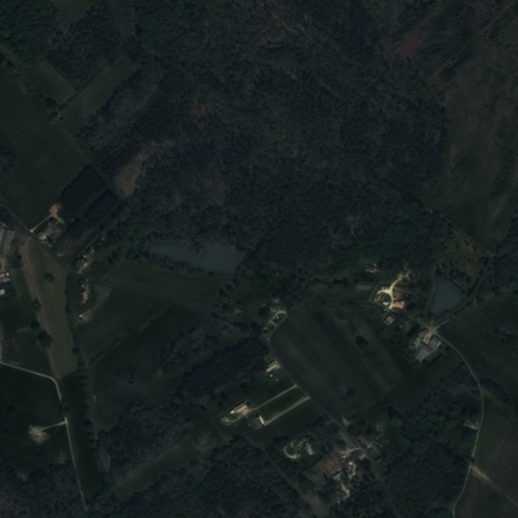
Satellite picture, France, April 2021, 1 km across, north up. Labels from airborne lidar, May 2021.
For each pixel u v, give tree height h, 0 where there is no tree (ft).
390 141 75
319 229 73
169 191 68
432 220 62
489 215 0
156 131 56
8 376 0
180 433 59
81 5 0
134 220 48
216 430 0
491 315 0
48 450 0
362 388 0
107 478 58
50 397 0
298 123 64
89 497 0
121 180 73
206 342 36
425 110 64
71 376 0
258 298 0
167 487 61
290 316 45
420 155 69
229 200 47
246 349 51
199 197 63
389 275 46
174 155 49
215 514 42
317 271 54
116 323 0
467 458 39
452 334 0
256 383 31
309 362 0
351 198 67
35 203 0
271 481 61
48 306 0
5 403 0
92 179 28
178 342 48
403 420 64
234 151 62
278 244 80
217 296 0
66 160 0
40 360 0
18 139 0
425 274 48
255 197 71
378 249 69
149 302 0
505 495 0
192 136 48
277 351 0
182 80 77
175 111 58
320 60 74
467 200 0
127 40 50
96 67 59
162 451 64
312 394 0
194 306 0
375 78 41
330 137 59
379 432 0
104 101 0
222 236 48
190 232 59
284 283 0
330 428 35
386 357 0
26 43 57
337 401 0
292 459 0
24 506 44
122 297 0
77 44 0
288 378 0
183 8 55
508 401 52
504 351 0
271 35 29
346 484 50
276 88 86
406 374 0
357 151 60
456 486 27
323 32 58
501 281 22
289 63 68
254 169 43
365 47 64
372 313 22
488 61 0
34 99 0
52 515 69
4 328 0
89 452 0
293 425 0
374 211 59
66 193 30
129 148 51
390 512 49
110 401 0
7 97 0
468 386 39
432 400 42
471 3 24
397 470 45
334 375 0
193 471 42
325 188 61
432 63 27
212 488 48
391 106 37
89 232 46
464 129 0
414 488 44
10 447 0
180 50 51
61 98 0
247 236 80
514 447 0
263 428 0
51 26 71
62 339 0
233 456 28
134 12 41
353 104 54
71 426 0
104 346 0
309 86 74
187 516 37
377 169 46
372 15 28
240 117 62
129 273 0
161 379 0
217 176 47
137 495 0
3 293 0
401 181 24
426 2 41
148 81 62
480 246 27
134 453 49
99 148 23
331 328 0
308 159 36
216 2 74
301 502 43
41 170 0
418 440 37
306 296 0
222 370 51
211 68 58
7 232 0
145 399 0
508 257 27
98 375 0
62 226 0
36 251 0
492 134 0
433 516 55
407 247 80
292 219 77
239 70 68
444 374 0
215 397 45
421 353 0
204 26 60
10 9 83
